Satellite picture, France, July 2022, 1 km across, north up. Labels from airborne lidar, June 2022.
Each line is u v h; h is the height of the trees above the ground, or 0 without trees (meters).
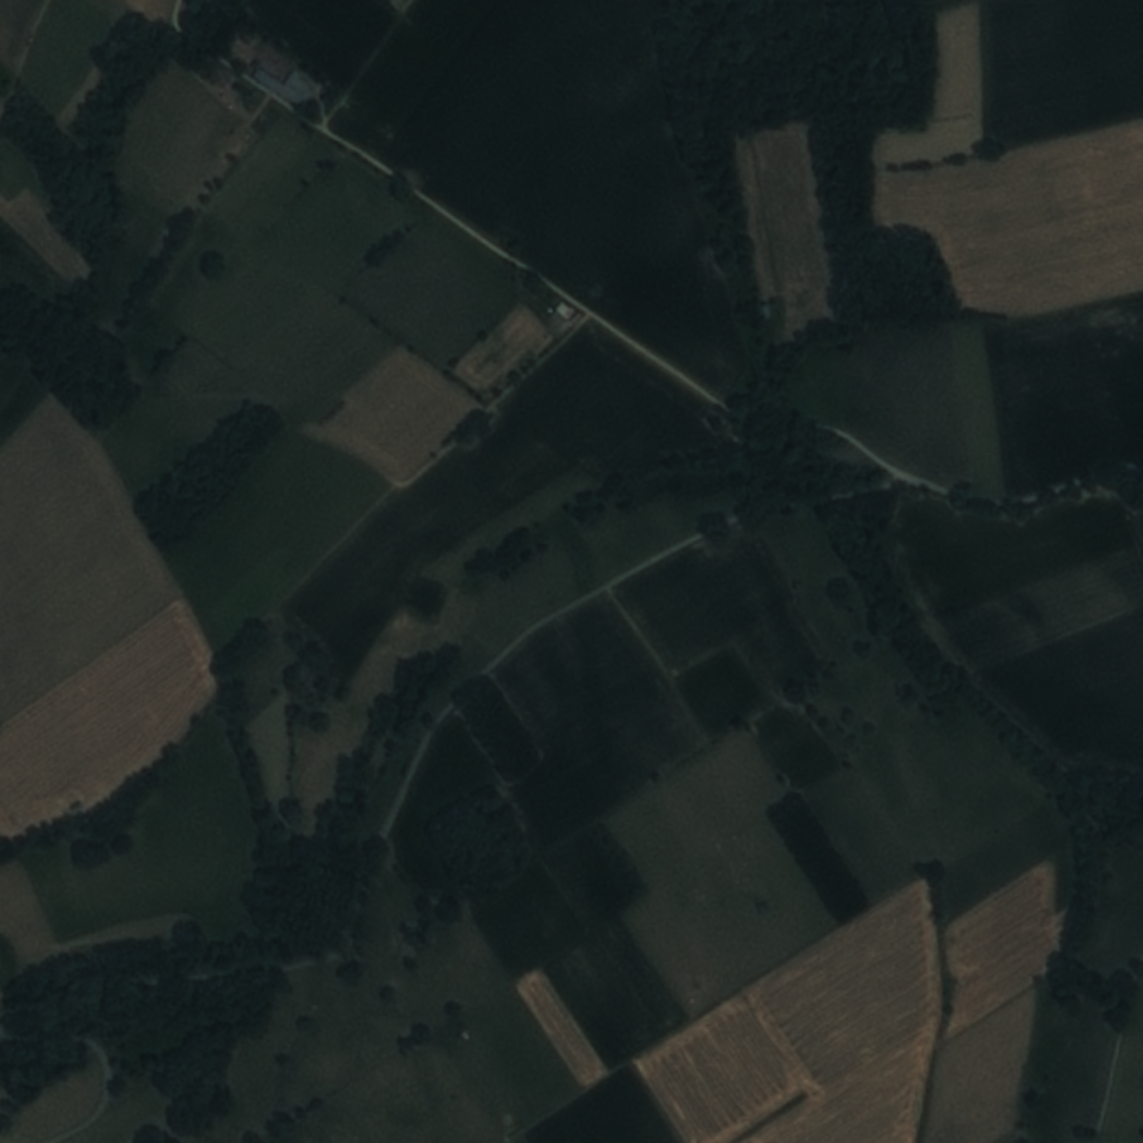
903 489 17
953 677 19
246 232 0
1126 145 0
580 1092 0
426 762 0
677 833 0
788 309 0
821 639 0
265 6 0
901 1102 0
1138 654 0
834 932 0
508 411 0
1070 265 0
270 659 0
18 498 0
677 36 23
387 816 0
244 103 0
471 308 0
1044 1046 0
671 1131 0
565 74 0
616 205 0
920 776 0
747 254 17
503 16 0
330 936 30
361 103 0
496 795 20
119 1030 15
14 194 0
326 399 0
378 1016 0
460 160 0
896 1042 0
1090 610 0
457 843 20
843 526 27
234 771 0
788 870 0
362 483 0
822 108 27
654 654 0
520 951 0
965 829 0
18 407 0
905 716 0
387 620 0
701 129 22
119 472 0
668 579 0
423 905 14
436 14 0
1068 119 0
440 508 0
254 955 18
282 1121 17
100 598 0
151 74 20
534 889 0
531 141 0
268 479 0
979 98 0
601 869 0
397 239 11
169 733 0
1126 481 24
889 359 0
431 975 0
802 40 31
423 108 0
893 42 27
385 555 0
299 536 0
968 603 0
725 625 0
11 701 0
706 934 0
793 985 0
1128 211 0
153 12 0
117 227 25
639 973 0
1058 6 0
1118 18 0
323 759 0
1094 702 0
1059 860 0
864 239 30
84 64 0
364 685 0
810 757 0
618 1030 0
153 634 0
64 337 23
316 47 0
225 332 0
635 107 0
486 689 17
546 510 0
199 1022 17
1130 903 0
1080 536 0
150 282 10
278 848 21
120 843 22
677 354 0
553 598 0
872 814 0
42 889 0
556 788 0
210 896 0
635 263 0
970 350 0
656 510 0
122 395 20
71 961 20
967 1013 0
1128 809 27
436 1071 0
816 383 0
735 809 0
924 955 0
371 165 8
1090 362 0
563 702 0
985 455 0
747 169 0
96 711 0
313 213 0
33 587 0
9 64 0
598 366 0
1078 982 23
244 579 0
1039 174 0
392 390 0
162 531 12
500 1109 0
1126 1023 14
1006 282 0
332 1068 0
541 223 0
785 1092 0
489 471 0
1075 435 0
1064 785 21
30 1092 24
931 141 0
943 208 0
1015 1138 0
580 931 0
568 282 0
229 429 14
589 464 0
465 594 0
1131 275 0
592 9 0
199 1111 30
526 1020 0
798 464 26
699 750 0
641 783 0
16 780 0
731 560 0
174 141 0
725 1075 0
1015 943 0
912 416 0
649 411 0
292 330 0
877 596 19
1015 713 0
